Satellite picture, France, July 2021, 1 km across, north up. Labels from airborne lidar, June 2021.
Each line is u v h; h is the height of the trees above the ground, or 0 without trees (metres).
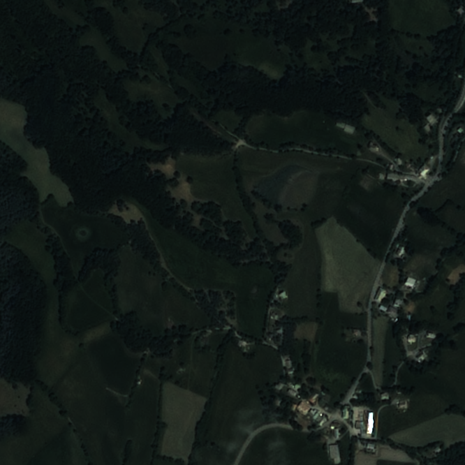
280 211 20
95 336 0
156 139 24
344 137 0
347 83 27
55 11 0
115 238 0
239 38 0
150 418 0
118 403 0
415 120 17
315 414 0
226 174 0
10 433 14
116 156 27
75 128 25
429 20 0
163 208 23
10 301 10
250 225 0
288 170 0
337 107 22
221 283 0
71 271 17
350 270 0
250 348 0
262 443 0
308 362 13
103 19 19
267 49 0
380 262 0
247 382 0
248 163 0
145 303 0
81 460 0
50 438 0
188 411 0
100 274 0
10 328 15
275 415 9
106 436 0
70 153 23
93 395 0
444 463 14
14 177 15
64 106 25
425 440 0
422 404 0
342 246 0
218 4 15
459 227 0
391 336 0
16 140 0
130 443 9
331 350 0
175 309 0
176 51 19
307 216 0
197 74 11
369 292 0
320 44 15
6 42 6
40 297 20
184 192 0
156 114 20
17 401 0
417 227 0
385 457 0
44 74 24
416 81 23
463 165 0
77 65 21
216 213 15
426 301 0
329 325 0
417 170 6
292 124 0
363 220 0
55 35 20
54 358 0
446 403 0
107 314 0
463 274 8
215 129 0
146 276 0
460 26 13
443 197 0
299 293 0
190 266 0
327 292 0
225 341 9
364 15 23
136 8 0
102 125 16
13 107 0
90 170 28
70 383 0
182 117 23
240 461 0
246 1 13
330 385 0
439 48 18
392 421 0
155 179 24
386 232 0
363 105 15
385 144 12
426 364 13
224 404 0
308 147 7
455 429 0
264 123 0
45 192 0
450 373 0
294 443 0
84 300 0
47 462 0
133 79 16
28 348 21
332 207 0
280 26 17
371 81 25
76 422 0
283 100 23
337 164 0
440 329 0
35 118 22
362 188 0
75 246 0
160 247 0
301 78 24
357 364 0
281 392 7
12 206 16
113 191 23
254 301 0
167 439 0
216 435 0
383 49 20
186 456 0
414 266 0
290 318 7
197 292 14
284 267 15
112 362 0
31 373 23
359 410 0
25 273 19
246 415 0
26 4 25
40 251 0
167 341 14
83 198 18
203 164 0
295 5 14
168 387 0
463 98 0
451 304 12
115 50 16
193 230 14
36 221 8
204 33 0
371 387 0
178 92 17
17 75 6
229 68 22
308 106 20
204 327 8
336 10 25
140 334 19
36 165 0
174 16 13
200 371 0
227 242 18
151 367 0
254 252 12
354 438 10
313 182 0
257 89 27
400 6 0
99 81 17
